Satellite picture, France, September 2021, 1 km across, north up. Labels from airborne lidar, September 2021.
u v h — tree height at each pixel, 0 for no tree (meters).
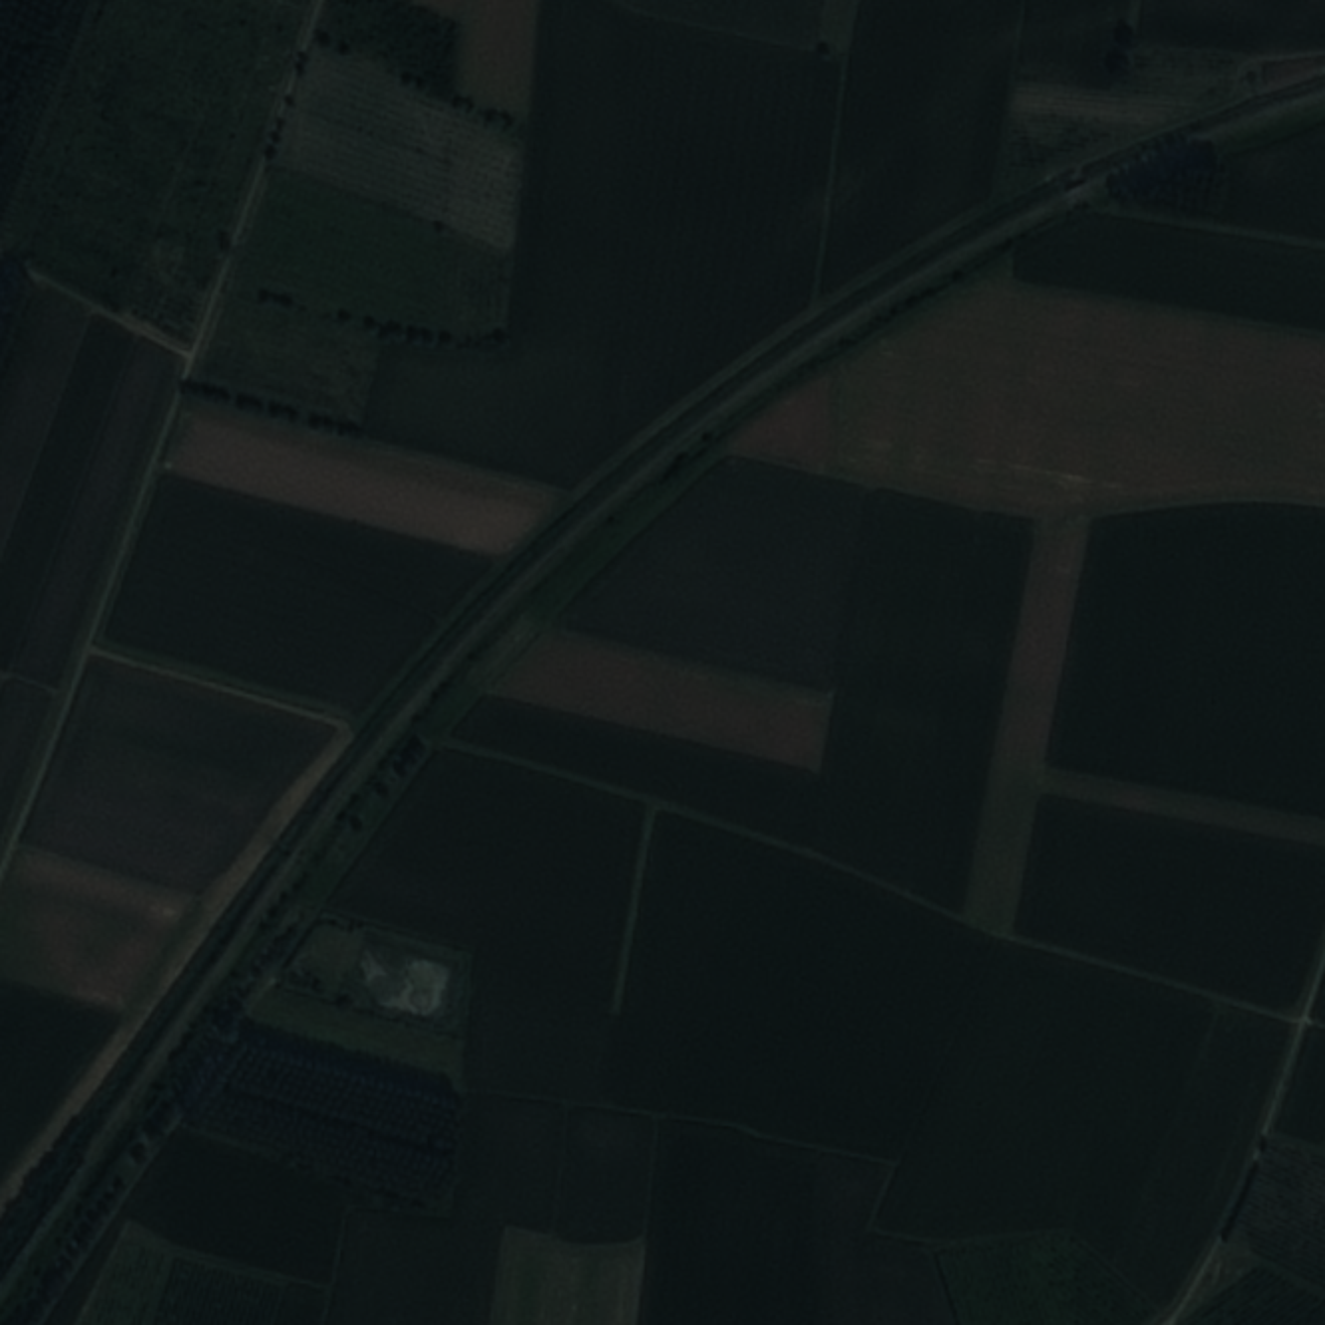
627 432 0
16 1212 7
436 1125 26
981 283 0
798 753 0
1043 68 0
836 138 0
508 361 0
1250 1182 7
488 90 0
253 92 0
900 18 0
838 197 0
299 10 0
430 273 0
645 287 0
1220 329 0
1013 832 0
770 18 0
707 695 0
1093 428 0
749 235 0
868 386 0
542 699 0
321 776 0
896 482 0
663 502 0
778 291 0
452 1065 0
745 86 0
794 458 0
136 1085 0
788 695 0
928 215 0
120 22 0
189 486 0
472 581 0
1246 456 0
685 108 0
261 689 0
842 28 0
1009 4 0
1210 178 29
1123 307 0
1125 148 0
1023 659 0
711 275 0
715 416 0
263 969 6
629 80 0
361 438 9
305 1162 22
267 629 0
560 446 0
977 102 0
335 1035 0
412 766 12
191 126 0
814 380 0
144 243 0
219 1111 26
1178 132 0
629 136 0
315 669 0
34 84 14
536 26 0
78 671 0
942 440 0
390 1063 0
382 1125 29
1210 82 0
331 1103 29
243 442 0
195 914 0
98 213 0
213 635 0
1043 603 0
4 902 0
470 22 0
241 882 0
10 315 26
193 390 11
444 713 0
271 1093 31
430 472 0
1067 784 0
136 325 0
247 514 0
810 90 0
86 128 0
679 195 0
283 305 9
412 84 7
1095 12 0
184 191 0
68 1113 0
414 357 0
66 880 0
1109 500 0
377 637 0
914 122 0
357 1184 13
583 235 0
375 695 0
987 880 0
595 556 0
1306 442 0
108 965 0
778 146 0
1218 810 0
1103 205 0
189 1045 8
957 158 0
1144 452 0
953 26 0
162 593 0
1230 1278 0
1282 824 0
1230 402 0
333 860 0
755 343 0
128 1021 0
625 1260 0
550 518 0
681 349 0
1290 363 0
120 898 0
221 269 0
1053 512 0
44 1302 11
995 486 0
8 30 20
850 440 0
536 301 0
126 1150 9
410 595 0
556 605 0
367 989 0
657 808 0
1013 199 0
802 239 0
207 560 0
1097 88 0
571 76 0
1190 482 0
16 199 14
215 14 0
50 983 0
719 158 0
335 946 0
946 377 0
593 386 0
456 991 0
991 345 0
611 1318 0
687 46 0
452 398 0
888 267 0
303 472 0
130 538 0
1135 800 0
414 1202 23
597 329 0
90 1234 10
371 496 0
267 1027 0
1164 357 0
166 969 0
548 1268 0
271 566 0
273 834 0
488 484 0
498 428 0
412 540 0
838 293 0
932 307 0
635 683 0
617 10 0
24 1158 0
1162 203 28
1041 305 0
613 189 0
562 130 0
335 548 0
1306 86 0
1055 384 0
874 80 0
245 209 0
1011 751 0
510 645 0
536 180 0
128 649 0
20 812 0
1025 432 0
